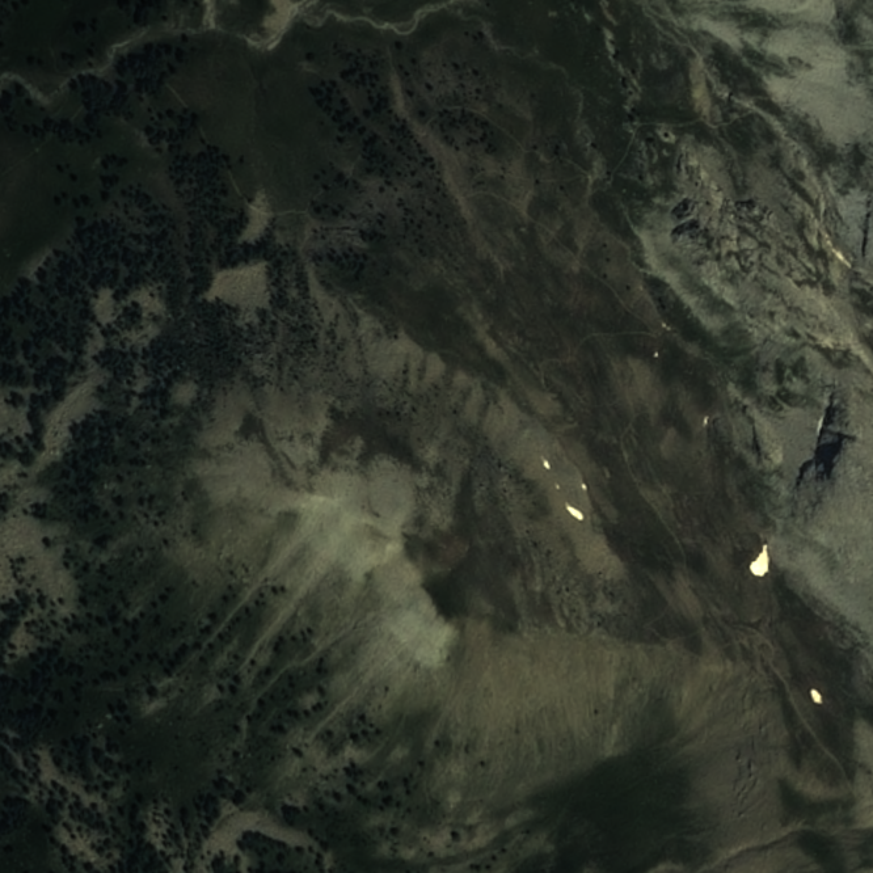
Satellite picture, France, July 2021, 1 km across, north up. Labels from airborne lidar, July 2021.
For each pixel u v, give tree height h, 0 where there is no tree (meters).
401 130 6
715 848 0
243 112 0
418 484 0
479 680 0
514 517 0
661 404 0
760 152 0
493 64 0
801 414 0
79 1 0
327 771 0
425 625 0
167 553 0
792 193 0
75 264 14
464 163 0
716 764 0
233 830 0
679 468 0
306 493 0
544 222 0
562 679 0
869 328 0
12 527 0
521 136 0
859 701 0
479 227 0
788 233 0
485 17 0
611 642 0
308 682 0
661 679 0
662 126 0
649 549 0
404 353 0
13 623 13
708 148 0
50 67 0
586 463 0
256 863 0
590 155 0
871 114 0
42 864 0
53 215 0
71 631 12
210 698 0
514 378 0
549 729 0
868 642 0
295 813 17
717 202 0
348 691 0
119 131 0
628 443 0
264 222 0
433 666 0
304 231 0
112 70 0
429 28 0
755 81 0
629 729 0
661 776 0
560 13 0
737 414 0
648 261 0
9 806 14
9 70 0
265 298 0
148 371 11
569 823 0
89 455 11
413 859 0
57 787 15
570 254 0
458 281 0
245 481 0
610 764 0
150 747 0
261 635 0
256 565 0
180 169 10
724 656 0
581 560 0
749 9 0
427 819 0
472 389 0
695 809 0
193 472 0
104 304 0
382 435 0
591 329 0
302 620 0
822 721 0
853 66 0
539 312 0
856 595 0
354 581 0
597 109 0
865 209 0
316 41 0
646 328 0
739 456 0
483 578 0
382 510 0
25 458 14
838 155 0
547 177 0
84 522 13
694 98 0
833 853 0
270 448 0
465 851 0
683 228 0
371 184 0
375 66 10
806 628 0
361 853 0
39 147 0
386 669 0
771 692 0
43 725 20
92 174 0
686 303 0
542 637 0
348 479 0
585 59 0
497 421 0
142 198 10
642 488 0
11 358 12
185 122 15
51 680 21
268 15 0
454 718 0
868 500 0
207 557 0
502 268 0
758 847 0
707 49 0
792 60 0
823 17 0
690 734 0
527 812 0
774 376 0
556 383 0
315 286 0
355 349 0
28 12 0
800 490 0
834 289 0
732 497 0
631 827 0
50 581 0
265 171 0
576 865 0
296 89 0
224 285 0
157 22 0
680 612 0
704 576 0
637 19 0
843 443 0
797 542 0
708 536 0
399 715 0
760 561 0
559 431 0
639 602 0
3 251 0
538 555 0
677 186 0
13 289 0
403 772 0
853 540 0
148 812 0
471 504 0
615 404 0
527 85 0
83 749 18
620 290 0
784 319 0
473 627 0
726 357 0
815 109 0
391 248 0
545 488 0
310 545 0
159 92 15
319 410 0
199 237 9
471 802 0
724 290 0
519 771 0
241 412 0
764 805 0
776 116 0
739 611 0
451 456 0
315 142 0
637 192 0
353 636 0
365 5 0
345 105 10
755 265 0
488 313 0
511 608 0
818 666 0
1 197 0
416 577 0
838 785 0
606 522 0
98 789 9
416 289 0
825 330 0
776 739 0
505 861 0
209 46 0
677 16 0
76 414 0
